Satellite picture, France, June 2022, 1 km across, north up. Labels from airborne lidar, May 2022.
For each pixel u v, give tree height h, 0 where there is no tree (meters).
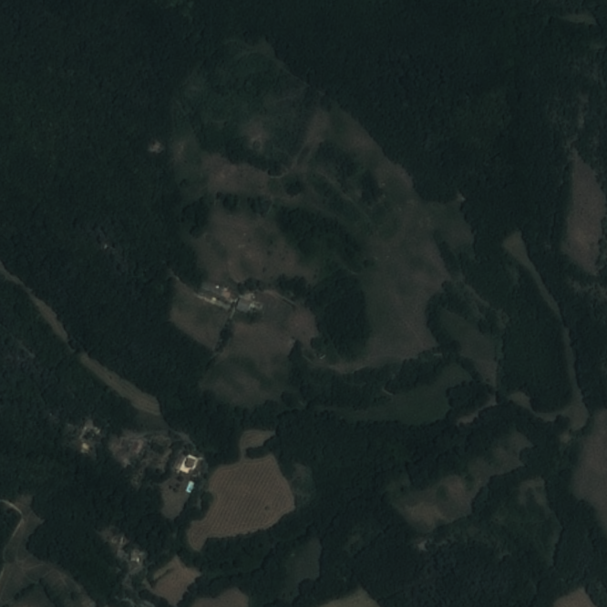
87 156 17
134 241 15
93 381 10
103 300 13
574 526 20
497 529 9
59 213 17
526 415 19
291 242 0
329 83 18
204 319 0
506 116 20
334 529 22
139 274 18
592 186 0
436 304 7
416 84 17
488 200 16
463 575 17
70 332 12
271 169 7
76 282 14
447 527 7
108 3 14
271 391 0
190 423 11
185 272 14
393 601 7
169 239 18
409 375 9
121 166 14
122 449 0
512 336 11
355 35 13
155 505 10
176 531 12
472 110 23
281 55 18
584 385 19
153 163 14
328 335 8
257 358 0
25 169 12
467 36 8
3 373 15
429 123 14
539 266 16
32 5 15
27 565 0
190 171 0
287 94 0
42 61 19
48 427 16
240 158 12
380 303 0
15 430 16
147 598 16
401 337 0
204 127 11
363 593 0
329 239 7
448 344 12
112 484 18
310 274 0
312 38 16
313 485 5
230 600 0
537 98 10
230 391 0
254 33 14
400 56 14
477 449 19
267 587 14
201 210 14
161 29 12
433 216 0
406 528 15
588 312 12
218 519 0
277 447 15
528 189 18
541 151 10
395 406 0
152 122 9
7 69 20
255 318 7
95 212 12
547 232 12
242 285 12
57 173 12
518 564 15
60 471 12
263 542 19
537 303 14
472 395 18
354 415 0
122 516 5
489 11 15
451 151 18
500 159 19
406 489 7
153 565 8
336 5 15
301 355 10
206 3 16
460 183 14
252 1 15
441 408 0
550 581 14
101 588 7
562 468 6
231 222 0
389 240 0
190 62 13
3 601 0
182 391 18
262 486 0
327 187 7
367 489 12
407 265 0
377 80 17
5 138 10
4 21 13
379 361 0
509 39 22
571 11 14
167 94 10
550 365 13
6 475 13
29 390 15
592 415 6
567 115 8
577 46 12
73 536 17
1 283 17
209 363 9
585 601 0
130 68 13
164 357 19
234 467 0
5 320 22
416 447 20
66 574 0
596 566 15
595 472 0
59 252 12
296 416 24
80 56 10
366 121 12
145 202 15
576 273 13
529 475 17
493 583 18
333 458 13
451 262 10
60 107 17
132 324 12
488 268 10
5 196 13
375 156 0
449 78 18
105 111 17
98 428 13
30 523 0
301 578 0
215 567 18
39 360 10
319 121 0
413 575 8
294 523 19
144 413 0
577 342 18
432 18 13
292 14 14
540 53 12
